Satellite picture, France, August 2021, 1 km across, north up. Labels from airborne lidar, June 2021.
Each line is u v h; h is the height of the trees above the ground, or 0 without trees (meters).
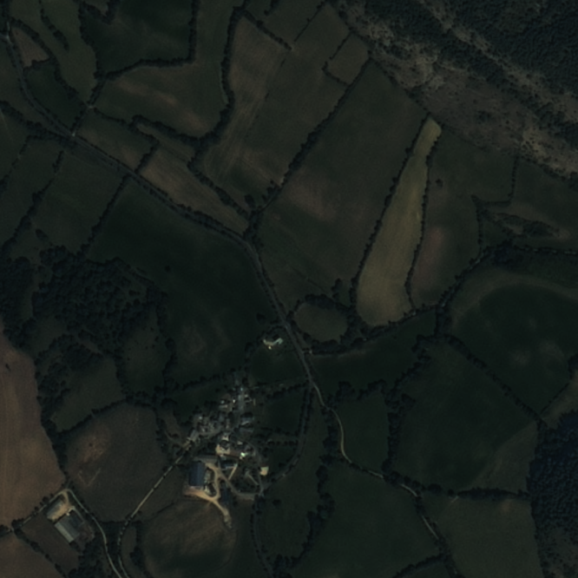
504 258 29
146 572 6
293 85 0
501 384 7
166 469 7
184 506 0
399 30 8
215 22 0
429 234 0
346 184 0
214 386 0
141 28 0
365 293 0
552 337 0
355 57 0
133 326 16
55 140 9
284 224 0
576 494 17
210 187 13
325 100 0
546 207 0
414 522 0
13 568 0
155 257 0
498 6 8
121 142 0
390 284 0
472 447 0
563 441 11
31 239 0
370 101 0
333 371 0
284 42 8
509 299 0
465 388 0
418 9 9
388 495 0
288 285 0
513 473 0
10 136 0
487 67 14
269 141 0
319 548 0
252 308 0
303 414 7
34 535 0
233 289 0
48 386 6
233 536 0
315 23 0
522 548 0
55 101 0
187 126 0
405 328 0
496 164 0
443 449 0
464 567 0
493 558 0
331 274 0
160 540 0
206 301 0
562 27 10
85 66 0
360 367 0
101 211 0
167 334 8
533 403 0
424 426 0
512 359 0
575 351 0
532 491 17
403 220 0
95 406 0
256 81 0
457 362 0
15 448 0
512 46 11
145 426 0
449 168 0
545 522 10
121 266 9
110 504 0
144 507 0
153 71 0
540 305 0
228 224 0
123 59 0
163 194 11
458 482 0
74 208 0
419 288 0
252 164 0
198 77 0
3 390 0
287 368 0
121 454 0
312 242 0
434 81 0
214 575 0
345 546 0
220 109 0
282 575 16
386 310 0
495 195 0
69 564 0
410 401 11
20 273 18
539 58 13
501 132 0
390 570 0
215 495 0
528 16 10
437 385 0
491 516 0
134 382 0
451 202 0
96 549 7
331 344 13
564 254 8
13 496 0
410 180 0
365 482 0
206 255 0
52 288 13
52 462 0
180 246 0
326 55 0
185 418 0
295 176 0
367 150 0
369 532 0
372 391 20
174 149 0
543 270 0
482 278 0
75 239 0
